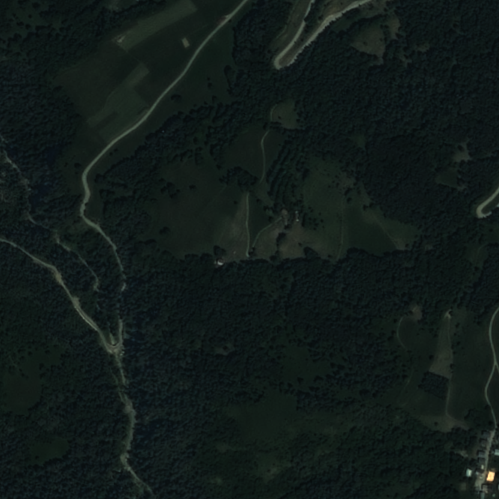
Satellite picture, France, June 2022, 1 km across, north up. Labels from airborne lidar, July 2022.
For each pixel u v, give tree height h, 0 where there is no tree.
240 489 15
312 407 13
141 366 13
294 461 14
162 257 10
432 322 16
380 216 0
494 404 0
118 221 18
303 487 21
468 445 11
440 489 20
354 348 26
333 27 11
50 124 23
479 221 20
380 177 23
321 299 25
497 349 0
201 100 0
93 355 27
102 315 19
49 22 11
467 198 19
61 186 10
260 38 23
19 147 19
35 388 0
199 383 22
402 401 0
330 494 21
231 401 12
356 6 0
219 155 17
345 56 20
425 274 24
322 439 8
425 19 22
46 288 27
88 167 0
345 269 23
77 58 15
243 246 0
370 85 17
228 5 0
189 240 0
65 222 19
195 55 0
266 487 8
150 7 16
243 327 25
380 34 0
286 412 0
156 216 0
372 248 0
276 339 12
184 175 0
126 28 0
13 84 16
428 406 0
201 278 26
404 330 0
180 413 23
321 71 20
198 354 17
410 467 21
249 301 21
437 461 14
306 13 0
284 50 0
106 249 19
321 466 20
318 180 0
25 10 12
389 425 8
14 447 29
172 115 0
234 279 15
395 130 19
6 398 8
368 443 13
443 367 0
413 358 13
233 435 8
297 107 8
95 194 0
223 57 0
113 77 0
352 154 15
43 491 15
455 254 13
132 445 14
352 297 20
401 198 23
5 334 16
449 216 21
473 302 18
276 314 21
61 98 16
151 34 0
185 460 15
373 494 11
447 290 21
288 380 0
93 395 19
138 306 20
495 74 23
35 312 19
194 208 0
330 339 20
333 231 0
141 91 0
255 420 0
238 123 21
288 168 12
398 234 0
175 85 0
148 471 26
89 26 20
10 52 11
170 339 22
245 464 7
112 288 7
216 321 20
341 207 0
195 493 32
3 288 18
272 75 15
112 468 24
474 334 0
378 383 13
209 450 10
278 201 15
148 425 9
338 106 22
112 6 0
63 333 20
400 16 17
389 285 18
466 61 22
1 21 20
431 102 16
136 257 6
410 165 20
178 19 0
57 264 21
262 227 0
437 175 12
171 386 15
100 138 0
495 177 18
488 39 22
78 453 29
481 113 22
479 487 0
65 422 20
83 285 37
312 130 18
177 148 17
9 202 13
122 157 0
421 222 20
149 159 19
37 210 23
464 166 19
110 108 0
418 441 10
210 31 0
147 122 0
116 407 31
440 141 10
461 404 0
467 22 14
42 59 14
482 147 21
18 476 18
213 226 0
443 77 20
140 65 0
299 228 0
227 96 0
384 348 11
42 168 10
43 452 0
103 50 0
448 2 18
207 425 24
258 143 0
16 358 17
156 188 18
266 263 20
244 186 20
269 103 14
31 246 33
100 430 38
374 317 23
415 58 20
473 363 0
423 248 15
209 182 0
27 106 17
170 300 29
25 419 18
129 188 21
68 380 21
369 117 20
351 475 25
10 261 31
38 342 15
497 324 0
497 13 23
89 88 0
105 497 11
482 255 0
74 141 15
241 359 21
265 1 21
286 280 17
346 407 12
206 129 11
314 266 26
